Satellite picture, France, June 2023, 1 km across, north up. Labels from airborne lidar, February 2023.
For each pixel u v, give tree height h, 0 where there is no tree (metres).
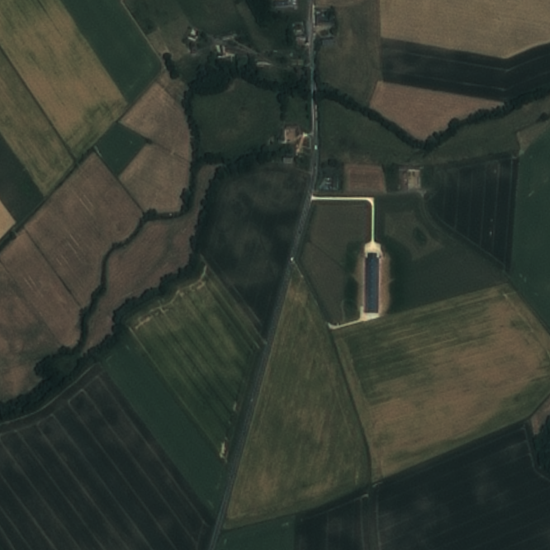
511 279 0
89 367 0
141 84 0
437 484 0
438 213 0
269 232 0
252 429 0
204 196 0
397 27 0
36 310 0
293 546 0
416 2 0
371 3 0
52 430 0
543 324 0
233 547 0
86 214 0
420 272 0
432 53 0
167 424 0
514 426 0
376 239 0
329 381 0
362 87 0
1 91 0
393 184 0
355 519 0
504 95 0
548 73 0
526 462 0
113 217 0
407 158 0
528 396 0
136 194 0
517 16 0
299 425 0
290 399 0
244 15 0
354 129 0
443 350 0
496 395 0
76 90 0
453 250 0
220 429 0
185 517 0
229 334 0
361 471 0
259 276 0
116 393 0
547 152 0
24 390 0
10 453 0
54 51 0
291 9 0
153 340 0
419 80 0
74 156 0
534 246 0
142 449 0
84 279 0
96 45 0
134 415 0
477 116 17
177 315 0
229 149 0
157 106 0
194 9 0
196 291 0
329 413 0
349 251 0
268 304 0
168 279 14
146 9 0
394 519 0
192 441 0
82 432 0
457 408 0
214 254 0
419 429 0
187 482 0
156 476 0
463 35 0
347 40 0
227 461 0
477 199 0
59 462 0
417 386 0
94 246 0
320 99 20
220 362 0
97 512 0
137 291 0
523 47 0
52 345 0
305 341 0
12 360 0
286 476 0
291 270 0
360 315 0
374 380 0
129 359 0
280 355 0
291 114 0
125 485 0
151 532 0
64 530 0
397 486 0
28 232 0
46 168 0
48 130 0
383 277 0
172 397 0
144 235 0
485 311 0
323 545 0
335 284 0
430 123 0
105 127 0
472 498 0
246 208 0
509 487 0
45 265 0
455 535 0
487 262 0
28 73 0
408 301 0
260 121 0
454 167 0
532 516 0
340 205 0
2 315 0
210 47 0
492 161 0
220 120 0
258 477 0
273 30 0
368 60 0
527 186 0
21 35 0
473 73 0
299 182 0
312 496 0
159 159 0
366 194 0
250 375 0
